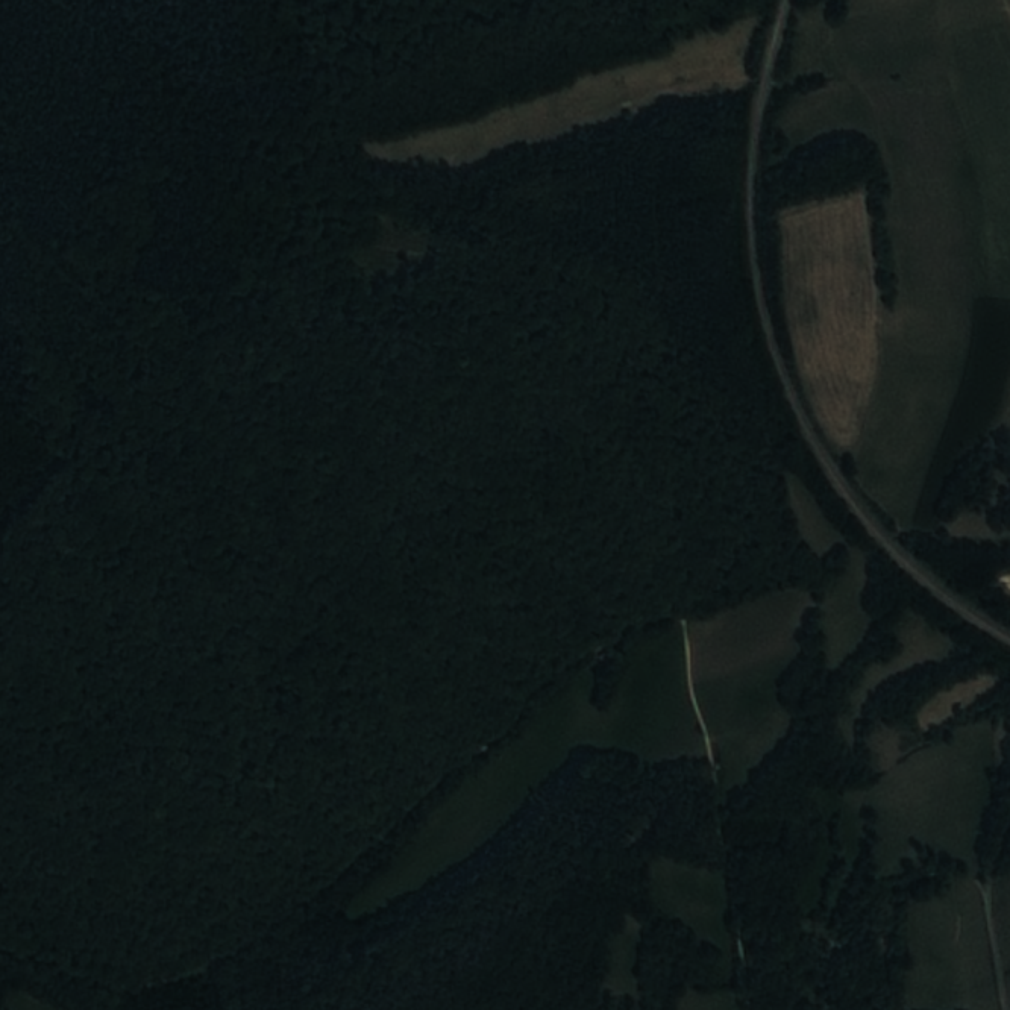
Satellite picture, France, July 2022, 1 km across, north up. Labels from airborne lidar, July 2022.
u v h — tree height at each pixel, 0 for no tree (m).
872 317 0
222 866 18
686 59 0
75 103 16
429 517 26
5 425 10
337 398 17
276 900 19
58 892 21
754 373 19
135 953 17
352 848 19
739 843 18
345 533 19
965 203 0
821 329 0
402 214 20
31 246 13
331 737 22
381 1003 20
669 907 0
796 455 14
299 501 16
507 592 21
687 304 19
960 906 0
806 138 0
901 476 0
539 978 23
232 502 21
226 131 16
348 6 25
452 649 22
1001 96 0
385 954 22
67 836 18
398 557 27
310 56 21
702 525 13
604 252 20
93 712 20
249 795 18
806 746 23
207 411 20
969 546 18
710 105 17
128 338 20
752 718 0
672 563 17
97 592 20
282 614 26
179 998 12
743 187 8
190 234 22
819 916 9
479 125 0
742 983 18
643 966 12
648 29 18
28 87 15
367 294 23
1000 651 6
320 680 28
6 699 19
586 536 17
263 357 15
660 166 21
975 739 0
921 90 0
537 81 21
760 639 0
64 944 22
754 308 8
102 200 18
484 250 18
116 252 23
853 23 0
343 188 20
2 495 7
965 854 0
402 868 0
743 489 22
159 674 16
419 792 12
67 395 24
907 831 0
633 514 23
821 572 19
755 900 23
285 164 9
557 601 20
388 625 22
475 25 21
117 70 20
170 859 17
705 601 19
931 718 0
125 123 21
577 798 16
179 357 25
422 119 21
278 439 20
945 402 0
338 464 18
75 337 23
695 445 23
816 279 0
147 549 25
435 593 23
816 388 0
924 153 0
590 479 17
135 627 20
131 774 18
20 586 22
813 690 25
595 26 18
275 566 19
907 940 6
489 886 19
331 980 25
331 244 22
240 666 22
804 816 20
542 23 13
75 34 18
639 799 21
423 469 17
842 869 17
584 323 14
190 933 11
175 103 23
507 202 11
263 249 21
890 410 0
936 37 0
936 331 0
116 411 22
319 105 22
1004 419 0
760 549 23
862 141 25
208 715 16
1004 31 0
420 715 15
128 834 17
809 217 0
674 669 0
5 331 16
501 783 0
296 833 17
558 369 19
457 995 23
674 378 13
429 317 17
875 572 20
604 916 17
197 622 21
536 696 18
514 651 17
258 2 20
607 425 24
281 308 23
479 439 17
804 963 18
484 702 17
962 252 0
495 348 14
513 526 24
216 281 19
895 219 0
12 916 22
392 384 21
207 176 16
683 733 0
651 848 23
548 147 14
